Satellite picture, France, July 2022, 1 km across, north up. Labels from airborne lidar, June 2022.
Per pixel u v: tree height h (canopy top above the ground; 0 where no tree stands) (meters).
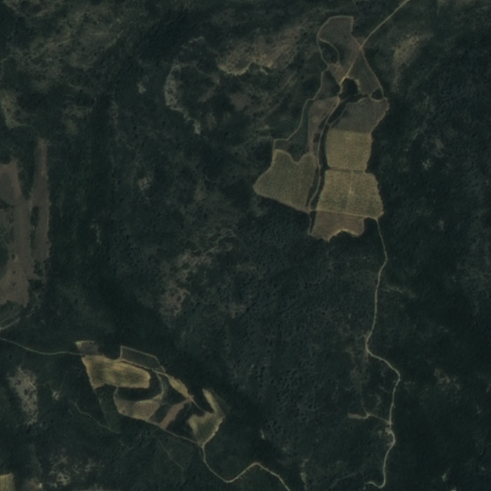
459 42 7
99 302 6
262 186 0
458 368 6
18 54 0
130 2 7
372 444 14
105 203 8
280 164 0
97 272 6
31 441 7
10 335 6
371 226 8
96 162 6
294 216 6
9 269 0
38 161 0
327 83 0
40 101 9
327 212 0
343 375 6
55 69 0
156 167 6
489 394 6
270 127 0
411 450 7
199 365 8
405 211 12
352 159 0
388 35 0
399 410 6
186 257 0
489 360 9
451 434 8
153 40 9
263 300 15
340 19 0
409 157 9
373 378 6
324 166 8
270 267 11
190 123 0
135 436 8
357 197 0
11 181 0
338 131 0
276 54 0
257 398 9
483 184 6
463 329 10
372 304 6
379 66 0
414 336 6
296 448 9
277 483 9
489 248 6
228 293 10
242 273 10
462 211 6
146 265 7
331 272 12
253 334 7
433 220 6
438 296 6
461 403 10
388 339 11
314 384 8
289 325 9
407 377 8
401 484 8
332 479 8
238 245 7
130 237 14
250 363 6
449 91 7
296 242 8
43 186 0
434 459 11
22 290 0
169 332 6
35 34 6
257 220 6
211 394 0
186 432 7
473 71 7
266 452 8
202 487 7
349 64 0
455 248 6
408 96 14
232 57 0
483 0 0
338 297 7
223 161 8
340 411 8
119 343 10
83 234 7
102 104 9
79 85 7
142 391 8
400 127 7
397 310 6
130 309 6
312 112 0
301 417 11
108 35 0
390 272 7
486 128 7
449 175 7
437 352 7
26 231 0
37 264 7
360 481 6
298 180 0
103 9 0
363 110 0
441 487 8
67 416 8
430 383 7
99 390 9
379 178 6
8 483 0
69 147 6
